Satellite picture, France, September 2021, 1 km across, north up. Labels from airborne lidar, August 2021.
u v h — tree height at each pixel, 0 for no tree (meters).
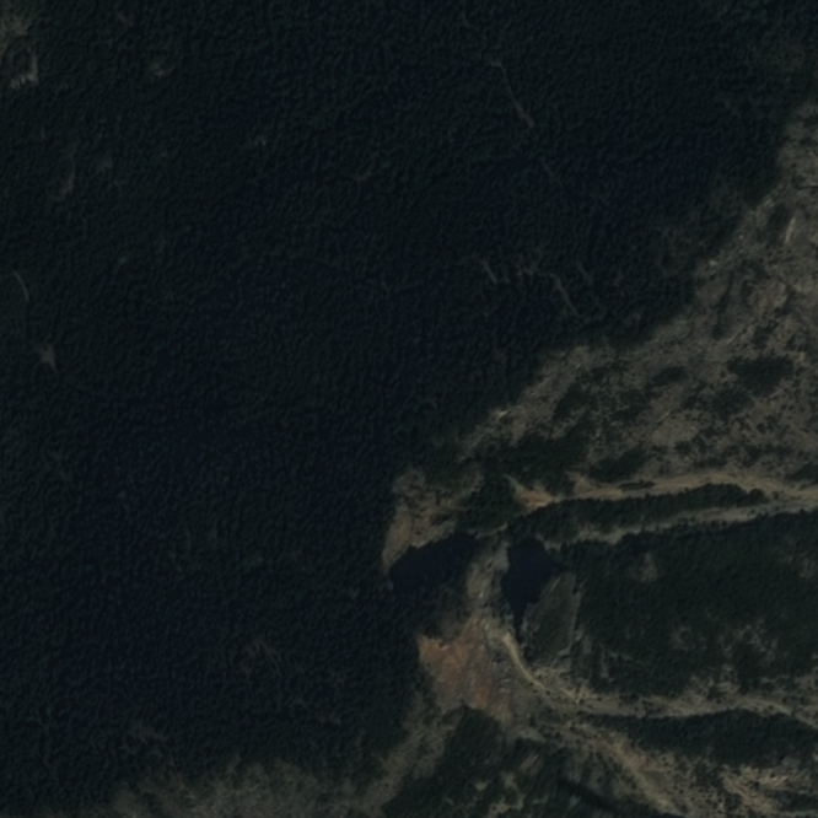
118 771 16
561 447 10
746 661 11
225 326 14
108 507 24
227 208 17
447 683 0
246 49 20
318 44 18
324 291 12
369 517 21
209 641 12
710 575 15
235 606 8
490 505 7
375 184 14
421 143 12
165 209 14
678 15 15
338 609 20
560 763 9
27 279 15
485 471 10
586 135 21
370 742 15
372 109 16
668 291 19
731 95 8
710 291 0
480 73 17
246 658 16
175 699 18
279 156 11
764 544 12
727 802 8
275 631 10
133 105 10
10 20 8
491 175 18
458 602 7
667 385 7
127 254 7
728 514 0
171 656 17
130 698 14
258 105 13
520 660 0
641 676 9
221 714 21
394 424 30
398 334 16
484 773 5
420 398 12
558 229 15
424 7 15
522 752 8
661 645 7
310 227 23
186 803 0
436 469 12
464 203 15
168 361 13
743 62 8
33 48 7
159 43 12
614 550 7
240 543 14
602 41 9
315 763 12
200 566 12
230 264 18
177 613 12
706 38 21
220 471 8
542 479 8
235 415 23
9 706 22
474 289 10
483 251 10
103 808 10
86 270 17
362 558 20
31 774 26
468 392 19
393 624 14
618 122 14
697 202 10
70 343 14
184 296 14
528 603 9
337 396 16
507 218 17
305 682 16
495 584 9
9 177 9
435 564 13
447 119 11
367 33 13
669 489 0
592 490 0
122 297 18
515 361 19
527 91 11
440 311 8
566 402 9
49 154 17
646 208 17
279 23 23
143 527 17
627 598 12
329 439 25
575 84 16
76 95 8
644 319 10
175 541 6
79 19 21
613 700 0
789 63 7
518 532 6
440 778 7
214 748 18
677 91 16
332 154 12
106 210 12
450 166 13
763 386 7
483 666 0
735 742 9
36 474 14
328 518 22
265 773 8
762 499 13
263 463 18
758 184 13
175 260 16
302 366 11
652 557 15
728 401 7
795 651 9
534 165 8
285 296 12
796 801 11
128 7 20
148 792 0
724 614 8
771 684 5
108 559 18
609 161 18
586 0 15
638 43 17
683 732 6
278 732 20
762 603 13
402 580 7
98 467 8
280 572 16
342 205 18
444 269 20
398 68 10
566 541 10
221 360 16
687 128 15
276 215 18
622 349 10
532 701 0
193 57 19
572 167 32
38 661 22
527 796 5
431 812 7
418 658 15
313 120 24
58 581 19
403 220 18
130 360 22
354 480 25
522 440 9
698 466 7
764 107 10
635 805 8
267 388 12
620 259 9
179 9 14
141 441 17
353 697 20
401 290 13
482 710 0
